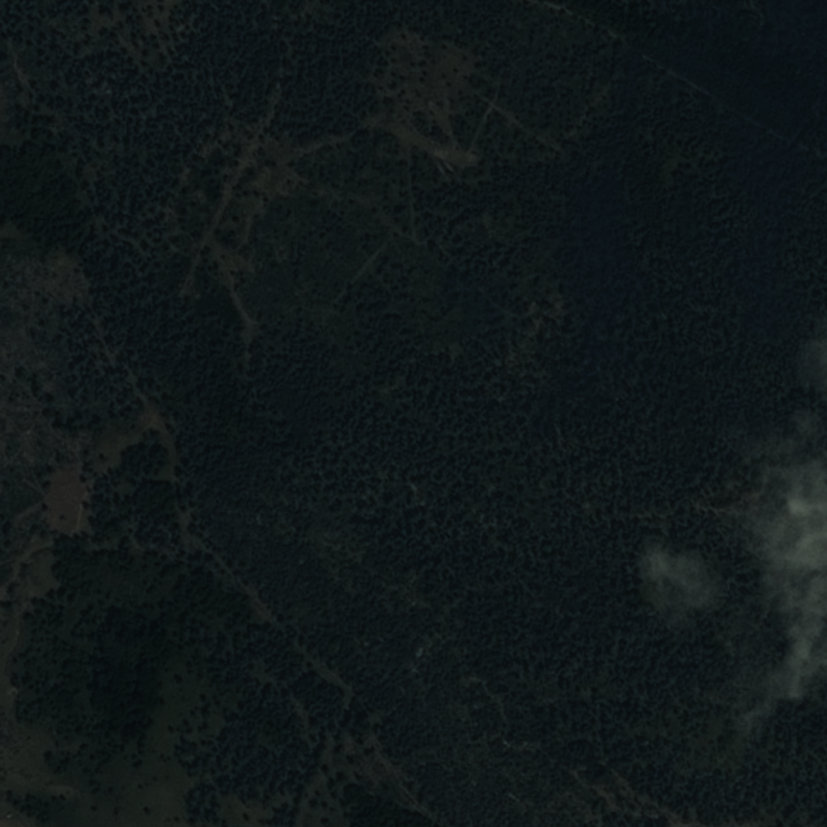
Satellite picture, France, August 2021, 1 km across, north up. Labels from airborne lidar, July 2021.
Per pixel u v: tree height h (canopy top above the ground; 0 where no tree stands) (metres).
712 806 14
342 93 8
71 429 15
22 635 0
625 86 9
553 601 7
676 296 21
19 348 0
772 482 7
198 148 13
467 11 8
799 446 11
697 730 8
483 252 10
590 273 7
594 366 13
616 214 8
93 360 14
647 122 10
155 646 20
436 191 8
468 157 0
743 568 20
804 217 10
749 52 11
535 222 9
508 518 17
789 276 16
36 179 10
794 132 14
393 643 9
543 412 13
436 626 7
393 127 0
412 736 6
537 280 8
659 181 10
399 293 7
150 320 16
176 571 11
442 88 0
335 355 8
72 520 0
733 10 13
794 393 13
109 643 18
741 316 6
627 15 11
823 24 9
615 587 19
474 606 6
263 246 0
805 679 18
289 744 7
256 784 16
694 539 14
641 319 13
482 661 7
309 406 11
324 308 0
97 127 15
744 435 7
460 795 6
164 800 0
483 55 7
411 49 0
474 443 14
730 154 7
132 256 16
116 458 0
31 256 0
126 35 0
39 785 0
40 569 0
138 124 10
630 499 16
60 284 0
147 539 14
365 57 7
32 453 0
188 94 13
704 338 17
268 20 12
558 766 7
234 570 8
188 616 8
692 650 16
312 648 10
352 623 7
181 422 8
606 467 13
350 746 0
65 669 9
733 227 15
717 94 11
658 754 17
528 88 8
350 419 14
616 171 7
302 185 0
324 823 9
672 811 14
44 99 15
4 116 0
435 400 16
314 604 7
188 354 13
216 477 7
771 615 8
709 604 10
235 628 9
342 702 17
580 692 10
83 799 0
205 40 14
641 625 18
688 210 11
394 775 0
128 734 15
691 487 6
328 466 7
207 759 7
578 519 13
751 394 13
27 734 0
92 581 7
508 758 6
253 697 9
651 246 12
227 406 9
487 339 8
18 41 14
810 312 17
